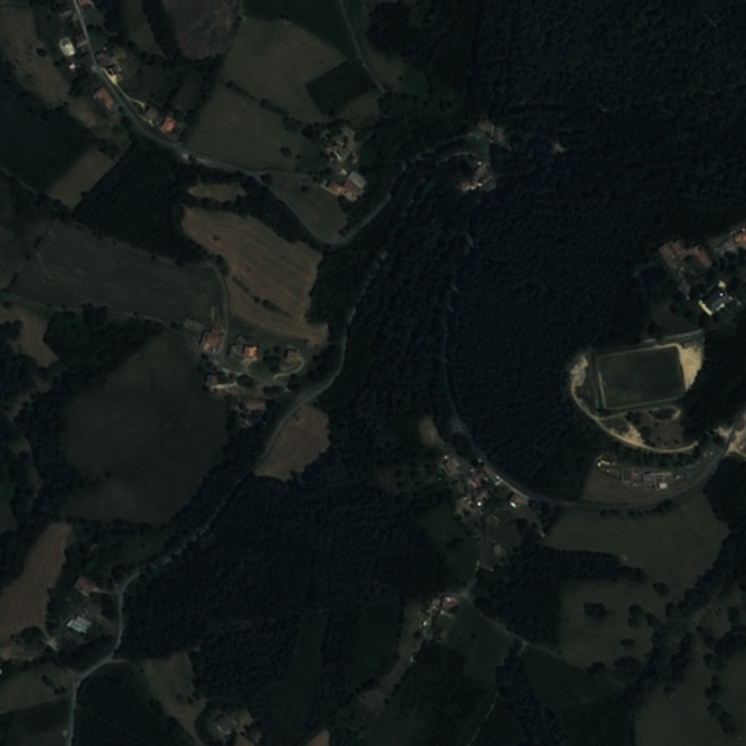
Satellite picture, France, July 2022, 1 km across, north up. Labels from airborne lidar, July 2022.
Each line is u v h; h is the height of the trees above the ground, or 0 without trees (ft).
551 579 62
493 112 32
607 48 45
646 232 24
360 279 82
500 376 76
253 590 61
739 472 46
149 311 0
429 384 59
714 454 0
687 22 42
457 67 40
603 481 0
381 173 77
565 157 69
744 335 31
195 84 0
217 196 0
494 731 26
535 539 47
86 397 0
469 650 0
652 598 0
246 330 0
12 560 79
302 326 0
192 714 0
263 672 82
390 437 98
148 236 40
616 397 0
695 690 0
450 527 0
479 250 21
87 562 53
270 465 0
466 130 54
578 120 55
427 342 31
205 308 0
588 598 0
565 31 55
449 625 0
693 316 71
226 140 0
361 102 0
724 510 33
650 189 71
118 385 0
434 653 23
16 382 115
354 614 27
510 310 77
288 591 52
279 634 77
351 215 24
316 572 83
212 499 54
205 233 0
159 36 39
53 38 0
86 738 40
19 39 0
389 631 0
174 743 26
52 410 72
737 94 61
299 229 43
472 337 81
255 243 0
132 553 0
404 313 75
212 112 0
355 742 31
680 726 0
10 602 0
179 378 0
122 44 49
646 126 43
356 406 95
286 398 0
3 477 55
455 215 70
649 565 0
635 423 20
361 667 0
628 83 74
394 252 66
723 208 22
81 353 19
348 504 84
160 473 0
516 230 85
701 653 0
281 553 55
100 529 66
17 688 0
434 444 0
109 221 37
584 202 86
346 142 22
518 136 24
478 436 65
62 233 0
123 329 22
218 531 59
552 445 69
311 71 0
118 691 44
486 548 0
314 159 0
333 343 29
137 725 44
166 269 0
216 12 0
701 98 65
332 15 0
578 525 0
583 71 41
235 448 53
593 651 0
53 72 0
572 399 24
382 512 97
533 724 106
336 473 90
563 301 85
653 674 73
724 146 35
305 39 0
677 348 0
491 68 126
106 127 0
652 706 0
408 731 0
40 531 31
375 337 32
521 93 85
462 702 31
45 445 94
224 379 40
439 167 115
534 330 89
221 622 42
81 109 0
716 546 0
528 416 64
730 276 58
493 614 50
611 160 80
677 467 61
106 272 0
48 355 0
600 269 88
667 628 56
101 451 0
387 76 0
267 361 35
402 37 52
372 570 62
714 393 51
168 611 56
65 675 0
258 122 0
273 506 70
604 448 52
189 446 0
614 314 31
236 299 0
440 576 49
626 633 0
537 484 43
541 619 66
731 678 0
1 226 0
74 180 0
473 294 83
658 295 34
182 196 60
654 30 55
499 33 133
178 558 68
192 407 0
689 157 32
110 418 0
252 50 0
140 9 0
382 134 57
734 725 30
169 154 27
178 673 0
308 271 0
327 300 53
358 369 34
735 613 58
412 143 58
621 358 0
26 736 0
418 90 0
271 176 23
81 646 22
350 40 0
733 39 78
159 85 0
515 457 75
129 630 22
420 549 64
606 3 45
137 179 34
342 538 89
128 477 0
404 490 35
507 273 87
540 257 90
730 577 77
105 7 63
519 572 64
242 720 0
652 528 0
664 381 0
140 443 0
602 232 80
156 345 0
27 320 0
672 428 0
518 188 64
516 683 91
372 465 42
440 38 85
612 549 0
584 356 0
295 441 0
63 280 0
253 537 52
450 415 98
